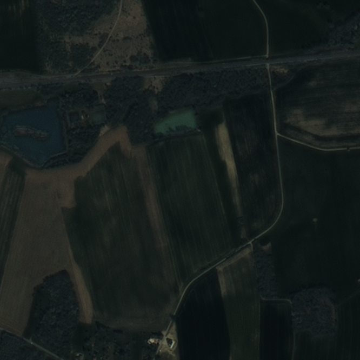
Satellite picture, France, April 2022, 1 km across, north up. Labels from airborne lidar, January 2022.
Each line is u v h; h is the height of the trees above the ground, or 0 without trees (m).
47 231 0
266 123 0
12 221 0
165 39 0
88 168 0
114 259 0
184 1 0
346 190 0
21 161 0
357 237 0
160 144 0
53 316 15
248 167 0
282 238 0
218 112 0
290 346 0
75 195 0
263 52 0
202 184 0
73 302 21
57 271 0
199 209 0
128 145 0
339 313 0
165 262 0
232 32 0
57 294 19
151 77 0
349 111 0
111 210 0
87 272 0
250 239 0
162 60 0
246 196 0
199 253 0
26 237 0
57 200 0
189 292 0
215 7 0
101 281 0
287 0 0
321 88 0
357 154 0
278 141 0
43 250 0
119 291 0
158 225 0
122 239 0
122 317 0
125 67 6
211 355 0
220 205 0
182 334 0
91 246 0
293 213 0
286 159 0
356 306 0
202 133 0
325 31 0
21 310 0
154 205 0
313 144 0
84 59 5
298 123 0
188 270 0
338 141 0
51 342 22
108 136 0
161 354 0
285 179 0
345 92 0
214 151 0
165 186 0
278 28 0
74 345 0
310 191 0
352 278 0
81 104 22
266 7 0
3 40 0
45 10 6
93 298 0
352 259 0
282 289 0
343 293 0
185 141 0
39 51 6
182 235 0
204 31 0
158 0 0
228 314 0
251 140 0
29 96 0
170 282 0
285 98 0
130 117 22
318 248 0
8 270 0
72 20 16
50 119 0
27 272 0
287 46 0
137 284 0
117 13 0
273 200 0
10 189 0
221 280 0
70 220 0
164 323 0
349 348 0
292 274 0
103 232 0
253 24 0
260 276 10
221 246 0
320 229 0
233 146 0
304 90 0
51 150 0
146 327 0
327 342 0
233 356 0
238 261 0
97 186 0
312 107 0
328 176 0
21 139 0
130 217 0
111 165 0
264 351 0
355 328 0
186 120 0
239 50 0
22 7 0
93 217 0
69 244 0
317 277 0
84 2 12
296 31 0
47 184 0
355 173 0
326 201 0
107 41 0
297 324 17
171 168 0
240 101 0
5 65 0
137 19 0
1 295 0
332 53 0
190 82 21
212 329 0
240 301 0
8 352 16
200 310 0
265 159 0
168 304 0
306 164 0
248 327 0
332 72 0
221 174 0
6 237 0
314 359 0
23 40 0
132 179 0
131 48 0
